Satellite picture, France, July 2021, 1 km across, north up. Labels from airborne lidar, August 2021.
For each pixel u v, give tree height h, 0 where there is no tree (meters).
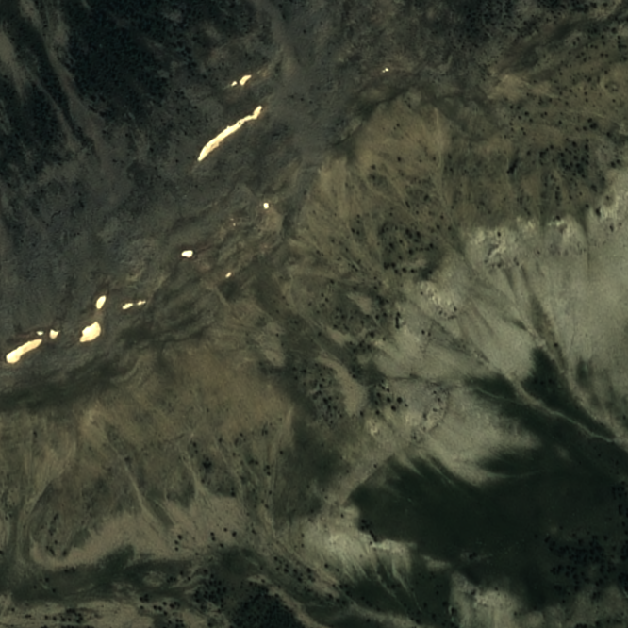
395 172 0
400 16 0
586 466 0
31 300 0
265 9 0
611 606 0
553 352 0
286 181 0
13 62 0
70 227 0
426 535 0
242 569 0
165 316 0
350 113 0
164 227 0
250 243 0
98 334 0
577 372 0
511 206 0
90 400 0
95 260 0
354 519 0
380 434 0
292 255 0
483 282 0
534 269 0
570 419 0
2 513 0
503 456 0
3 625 0
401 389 0
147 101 0
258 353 0
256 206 0
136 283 0
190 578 7
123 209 0
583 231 0
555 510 0
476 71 0
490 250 0
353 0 0
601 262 0
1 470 0
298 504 0
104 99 10
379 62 0
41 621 0
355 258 0
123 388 0
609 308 0
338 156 0
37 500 0
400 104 0
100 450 0
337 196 0
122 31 7
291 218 0
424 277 0
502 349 0
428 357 0
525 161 0
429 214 0
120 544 0
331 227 0
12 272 0
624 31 0
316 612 0
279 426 0
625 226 0
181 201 0
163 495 0
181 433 0
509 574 0
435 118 0
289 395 0
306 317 0
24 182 0
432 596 0
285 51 0
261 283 0
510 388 0
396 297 0
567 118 0
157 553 0
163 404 0
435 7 0
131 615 0
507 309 0
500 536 0
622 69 0
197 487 0
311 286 0
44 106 11
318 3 0
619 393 0
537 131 0
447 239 0
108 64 11
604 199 0
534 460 0
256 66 0
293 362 0
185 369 0
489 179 0
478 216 0
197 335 0
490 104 0
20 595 0
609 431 0
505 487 0
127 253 0
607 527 0
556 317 0
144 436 0
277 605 7
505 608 0
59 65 0
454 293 0
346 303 0
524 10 0
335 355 0
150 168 0
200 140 0
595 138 0
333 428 0
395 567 0
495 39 0
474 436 0
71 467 0
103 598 0
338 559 0
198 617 0
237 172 0
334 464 0
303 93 0
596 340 0
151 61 7
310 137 0
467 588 0
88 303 0
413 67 0
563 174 0
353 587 0
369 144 0
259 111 0
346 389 0
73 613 6
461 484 0
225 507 0
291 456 0
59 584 0
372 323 0
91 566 0
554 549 14
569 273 0
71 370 0
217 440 0
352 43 0
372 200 0
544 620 0
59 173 0
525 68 0
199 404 0
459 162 0
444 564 0
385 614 0
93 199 0
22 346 0
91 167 0
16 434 0
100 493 0
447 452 0
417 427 0
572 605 0
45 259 0
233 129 0
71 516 0
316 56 0
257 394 0
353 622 0
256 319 0
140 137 0
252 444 0
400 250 0
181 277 0
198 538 0
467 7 6
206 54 0
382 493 0
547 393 0
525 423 0
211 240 0
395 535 0
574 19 0
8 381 0
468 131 0
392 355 0
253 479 0
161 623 0
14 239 0
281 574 0
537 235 0
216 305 0
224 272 0
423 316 0
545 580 0
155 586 0
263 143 0
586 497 0
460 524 0
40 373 0
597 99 0
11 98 6
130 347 0
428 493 0
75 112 0
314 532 0
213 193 0
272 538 0
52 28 0
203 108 0
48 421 0
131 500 0
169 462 0
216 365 0
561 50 0
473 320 0
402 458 0
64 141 0
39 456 0
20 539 0
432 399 0
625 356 0
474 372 0
